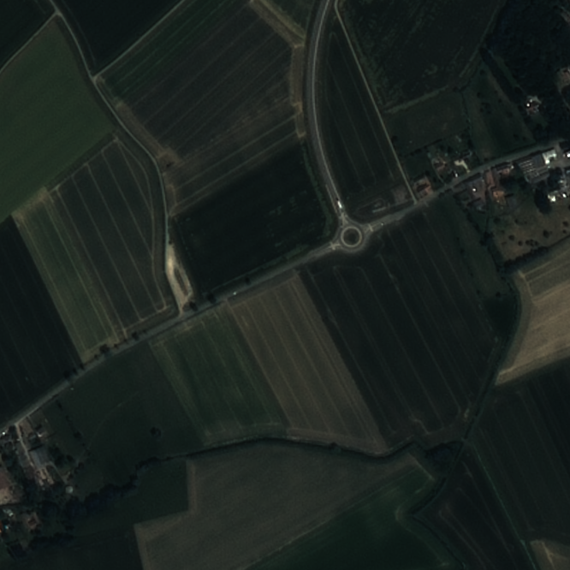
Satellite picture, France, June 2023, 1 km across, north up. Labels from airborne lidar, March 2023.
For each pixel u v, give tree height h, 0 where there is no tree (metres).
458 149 0
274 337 0
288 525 0
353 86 0
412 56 0
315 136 0
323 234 0
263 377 0
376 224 0
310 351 0
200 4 0
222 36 0
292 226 0
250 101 0
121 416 0
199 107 0
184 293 0
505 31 27
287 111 0
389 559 0
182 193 0
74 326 0
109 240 0
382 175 0
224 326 0
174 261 0
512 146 0
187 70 0
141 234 0
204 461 0
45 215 0
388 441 0
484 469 0
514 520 0
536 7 28
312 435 0
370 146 0
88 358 0
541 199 27
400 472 0
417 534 0
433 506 0
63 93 0
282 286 0
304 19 0
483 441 0
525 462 0
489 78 0
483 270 0
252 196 0
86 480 0
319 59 0
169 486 0
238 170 0
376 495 0
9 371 0
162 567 0
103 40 0
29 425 0
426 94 0
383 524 0
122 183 0
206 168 0
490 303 0
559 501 0
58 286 0
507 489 0
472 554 0
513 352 0
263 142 0
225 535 0
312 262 0
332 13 0
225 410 0
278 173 0
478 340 0
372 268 0
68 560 0
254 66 0
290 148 0
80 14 0
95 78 0
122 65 0
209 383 0
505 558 0
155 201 0
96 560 0
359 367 0
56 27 0
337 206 0
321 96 0
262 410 0
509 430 0
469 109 0
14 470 20
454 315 0
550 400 0
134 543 0
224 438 0
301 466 0
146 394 0
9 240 0
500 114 0
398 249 0
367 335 0
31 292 0
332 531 0
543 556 0
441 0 0
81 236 0
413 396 0
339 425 0
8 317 0
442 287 0
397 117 0
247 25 0
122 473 0
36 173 0
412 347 0
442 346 0
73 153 0
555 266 0
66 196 0
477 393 0
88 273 0
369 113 0
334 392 0
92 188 0
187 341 0
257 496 0
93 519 0
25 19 0
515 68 24
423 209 0
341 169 0
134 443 0
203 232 0
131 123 0
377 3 0
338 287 0
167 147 0
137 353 0
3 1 0
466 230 0
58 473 0
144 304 0
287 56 0
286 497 0
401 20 0
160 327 0
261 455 0
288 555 0
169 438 0
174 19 0
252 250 0
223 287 0
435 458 17
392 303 0
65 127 0
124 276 0
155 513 0
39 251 0
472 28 0
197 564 0
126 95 0
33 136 0
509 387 0
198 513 0
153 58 0
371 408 0
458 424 0
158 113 0
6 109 0
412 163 0
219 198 0
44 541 16
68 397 0
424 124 0
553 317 0
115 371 0
